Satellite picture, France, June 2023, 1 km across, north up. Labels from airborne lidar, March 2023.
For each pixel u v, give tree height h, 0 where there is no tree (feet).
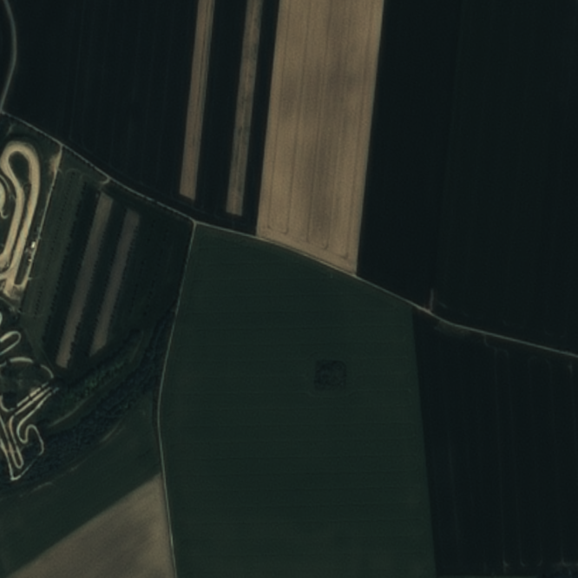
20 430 0
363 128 0
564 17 0
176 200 0
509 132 0
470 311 0
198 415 0
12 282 0
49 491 0
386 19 0
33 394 0
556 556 0
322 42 0
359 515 0
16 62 0
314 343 0
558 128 0
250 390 0
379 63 0
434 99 0
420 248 0
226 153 0
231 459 0
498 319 0
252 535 0
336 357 0
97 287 0
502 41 0
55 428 0
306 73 0
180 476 0
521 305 0
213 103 0
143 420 0
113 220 0
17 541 0
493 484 0
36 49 0
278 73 0
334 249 0
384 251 0
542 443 0
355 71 0
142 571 0
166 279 0
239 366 0
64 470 0
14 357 0
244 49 0
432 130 0
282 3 0
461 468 0
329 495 0
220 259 0
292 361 0
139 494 0
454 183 0
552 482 0
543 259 0
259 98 0
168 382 0
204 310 0
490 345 0
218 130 0
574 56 0
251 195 0
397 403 0
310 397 0
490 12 0
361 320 0
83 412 0
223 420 0
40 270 0
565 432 0
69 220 0
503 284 0
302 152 0
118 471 0
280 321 0
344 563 0
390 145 0
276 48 0
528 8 0
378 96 0
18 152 0
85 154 0
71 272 0
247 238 0
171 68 0
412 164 0
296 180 0
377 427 0
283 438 0
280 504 0
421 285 0
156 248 0
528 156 0
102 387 0
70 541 0
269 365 0
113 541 0
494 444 0
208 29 0
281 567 0
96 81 0
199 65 0
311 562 0
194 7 0
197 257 0
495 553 0
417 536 0
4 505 0
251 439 0
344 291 0
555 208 0
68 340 0
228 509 0
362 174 0
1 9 0
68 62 0
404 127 0
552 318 0
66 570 0
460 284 0
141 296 0
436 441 0
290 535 0
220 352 0
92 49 0
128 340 37
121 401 39
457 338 0
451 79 0
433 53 0
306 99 0
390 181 0
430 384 0
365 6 0
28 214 0
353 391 0
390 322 0
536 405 0
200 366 0
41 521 0
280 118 0
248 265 0
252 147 0
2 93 0
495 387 0
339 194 0
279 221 0
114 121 0
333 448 0
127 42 0
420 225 0
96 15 0
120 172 0
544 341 0
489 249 0
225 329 0
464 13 0
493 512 0
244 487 0
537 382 0
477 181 0
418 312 0
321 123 0
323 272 0
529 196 0
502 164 0
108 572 0
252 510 0
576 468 0
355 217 0
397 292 0
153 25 0
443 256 0
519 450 0
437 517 0
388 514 0
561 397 0
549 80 0
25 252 0
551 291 0
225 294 0
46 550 0
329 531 0
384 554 0
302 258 0
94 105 0
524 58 0
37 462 19
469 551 0
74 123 0
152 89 0
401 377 0
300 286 0
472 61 0
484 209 0
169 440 0
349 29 0
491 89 0
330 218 0
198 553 0
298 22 0
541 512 0
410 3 0
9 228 0
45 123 0
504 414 0
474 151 0
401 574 0
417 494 0
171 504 0
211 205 0
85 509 0
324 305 0
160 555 0
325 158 0
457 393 0
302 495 0
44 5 0
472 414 0
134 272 0
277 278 0
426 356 0
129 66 0
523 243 0
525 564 0
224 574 0
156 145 0
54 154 0
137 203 0
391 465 0
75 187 0
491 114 0
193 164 0
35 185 0
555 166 0
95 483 0
